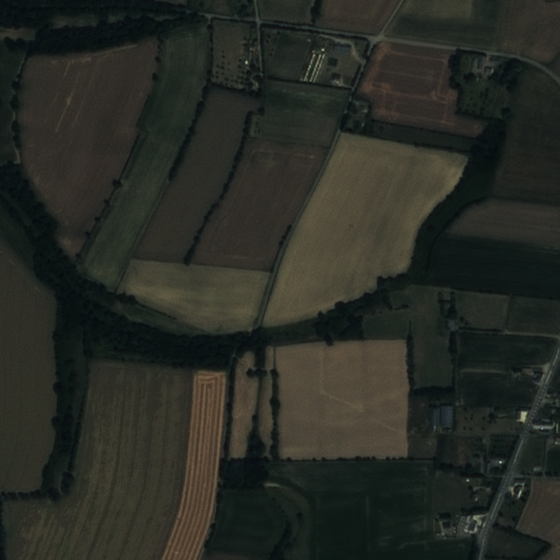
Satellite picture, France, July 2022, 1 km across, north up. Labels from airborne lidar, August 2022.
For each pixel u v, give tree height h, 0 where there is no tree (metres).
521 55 0
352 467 0
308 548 0
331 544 0
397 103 0
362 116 0
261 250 0
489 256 0
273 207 0
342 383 0
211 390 0
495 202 0
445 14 0
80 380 0
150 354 7
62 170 0
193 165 0
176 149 0
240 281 0
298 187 0
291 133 0
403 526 0
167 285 0
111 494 0
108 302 0
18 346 0
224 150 0
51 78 0
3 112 0
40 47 19
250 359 0
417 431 0
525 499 11
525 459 0
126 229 0
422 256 0
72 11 20
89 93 0
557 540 0
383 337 0
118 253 0
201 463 0
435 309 0
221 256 0
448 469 16
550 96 0
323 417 0
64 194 0
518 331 0
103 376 0
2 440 0
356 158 0
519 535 11
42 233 8
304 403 0
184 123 0
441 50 0
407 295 0
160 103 0
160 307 0
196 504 0
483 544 0
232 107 0
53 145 0
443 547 0
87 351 10
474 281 0
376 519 0
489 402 0
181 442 0
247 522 0
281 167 0
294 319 0
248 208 0
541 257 0
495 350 0
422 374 0
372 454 0
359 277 0
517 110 0
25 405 0
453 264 0
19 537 0
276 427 7
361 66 5
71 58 0
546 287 0
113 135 0
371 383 0
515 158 0
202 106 11
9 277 0
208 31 9
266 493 0
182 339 8
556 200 0
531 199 0
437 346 0
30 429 0
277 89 0
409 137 0
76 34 21
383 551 0
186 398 0
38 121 0
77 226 0
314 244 0
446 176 0
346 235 0
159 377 0
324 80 0
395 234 0
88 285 14
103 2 18
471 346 0
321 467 0
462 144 0
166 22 10
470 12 0
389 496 0
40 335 0
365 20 0
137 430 0
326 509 0
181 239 0
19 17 23
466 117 8
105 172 0
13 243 0
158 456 0
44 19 24
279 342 0
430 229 11
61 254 16
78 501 0
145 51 0
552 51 0
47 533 0
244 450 0
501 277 0
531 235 0
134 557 0
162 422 0
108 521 0
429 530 0
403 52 0
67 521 0
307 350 0
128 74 0
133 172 0
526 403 0
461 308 0
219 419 0
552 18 0
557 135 0
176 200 0
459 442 0
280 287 0
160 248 0
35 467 0
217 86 7
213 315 0
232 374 11
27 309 0
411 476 0
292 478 0
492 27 0
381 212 0
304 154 0
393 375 0
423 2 0
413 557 0
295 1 0
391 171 0
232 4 0
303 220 0
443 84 0
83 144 0
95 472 0
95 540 0
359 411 0
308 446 0
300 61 0
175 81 0
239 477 17
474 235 0
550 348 0
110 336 9
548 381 0
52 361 0
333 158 0
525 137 0
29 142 0
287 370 0
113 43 13
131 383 0
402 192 0
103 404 0
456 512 0
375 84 0
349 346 0
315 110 0
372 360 0
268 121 0
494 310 0
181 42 0
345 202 0
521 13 0
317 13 19
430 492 0
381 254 0
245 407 0
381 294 8
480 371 0
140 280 0
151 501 0
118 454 0
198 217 0
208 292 0
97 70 0
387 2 0
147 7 16
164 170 0
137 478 0
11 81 0
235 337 10
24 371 0
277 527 0
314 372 0
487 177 0
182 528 0
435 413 0
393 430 0
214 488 0
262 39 6
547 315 0
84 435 0
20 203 17
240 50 0
